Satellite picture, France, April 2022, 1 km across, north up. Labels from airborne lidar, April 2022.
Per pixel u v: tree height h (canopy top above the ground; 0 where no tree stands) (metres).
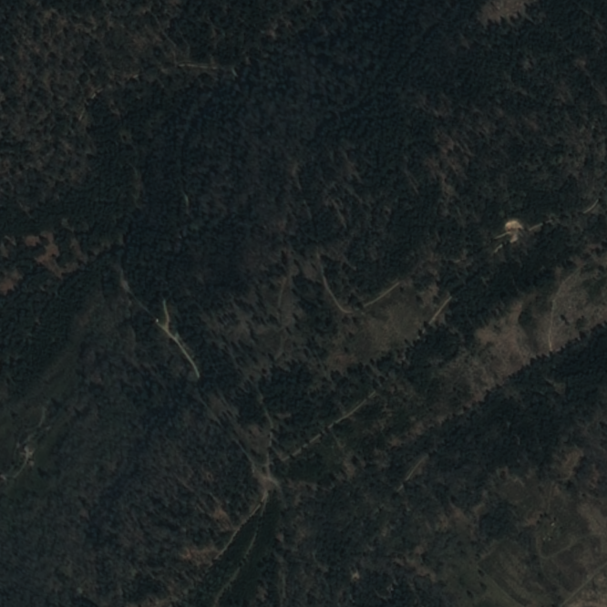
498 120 22
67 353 18
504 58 14
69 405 14
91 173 25
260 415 21
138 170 22
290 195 26
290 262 17
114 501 17
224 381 17
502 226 11
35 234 25
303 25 12
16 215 24
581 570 0
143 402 7
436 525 20
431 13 21
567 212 12
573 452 0
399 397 10
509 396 19
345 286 14
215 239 9
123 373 11
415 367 18
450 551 17
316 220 18
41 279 35
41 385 20
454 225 11
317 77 22
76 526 18
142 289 16
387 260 15
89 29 26
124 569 26
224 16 30
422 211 22
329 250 19
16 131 32
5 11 19
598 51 19
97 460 11
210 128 27
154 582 13
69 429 9
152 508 29
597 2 20
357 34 36
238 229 22
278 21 21
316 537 6
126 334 13
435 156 21
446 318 0
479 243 18
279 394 8
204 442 29
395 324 0
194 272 25
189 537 6
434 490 26
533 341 0
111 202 29
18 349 21
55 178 34
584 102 22
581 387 24
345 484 11
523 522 19
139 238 27
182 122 19
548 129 22
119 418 10
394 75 20
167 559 11
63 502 14
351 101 12
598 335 18
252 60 8
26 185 13
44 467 0
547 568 0
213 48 9
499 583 0
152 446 26
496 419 19
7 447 0
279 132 24
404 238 22
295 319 0
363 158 22
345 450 0
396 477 22
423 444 23
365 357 0
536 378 32
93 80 21
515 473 20
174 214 27
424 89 23
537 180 9
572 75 16
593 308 0
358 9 10
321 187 16
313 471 8
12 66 22
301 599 22
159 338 21
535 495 0
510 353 0
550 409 15
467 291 30
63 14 25
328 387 25
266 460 0
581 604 0
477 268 20
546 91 16
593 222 23
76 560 16
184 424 30
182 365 13
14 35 21
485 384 0
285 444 30
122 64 16
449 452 27
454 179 21
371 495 17
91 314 15
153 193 23
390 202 22
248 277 16
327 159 18
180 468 27
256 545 7
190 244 27
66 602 13
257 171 22
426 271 23
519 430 15
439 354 21
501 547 0
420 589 21
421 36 23
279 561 25
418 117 21
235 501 27
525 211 12
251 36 24
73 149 35
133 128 26
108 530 28
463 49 19
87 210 31
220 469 29
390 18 30
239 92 26
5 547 17
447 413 0
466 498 26
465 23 23
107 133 33
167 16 13
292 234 22
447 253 17
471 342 24
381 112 20
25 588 13
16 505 7
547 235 21
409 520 22
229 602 8
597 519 0
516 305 31
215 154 15
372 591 33
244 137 27
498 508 28
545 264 9
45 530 12
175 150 27
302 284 23
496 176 17
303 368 15
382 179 18
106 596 18
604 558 0
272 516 11
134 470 18
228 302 25
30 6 17
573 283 0
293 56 36
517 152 21
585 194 16
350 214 19
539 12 23
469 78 20
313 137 21
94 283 20
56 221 22
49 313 21
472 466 31
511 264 16
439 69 20
